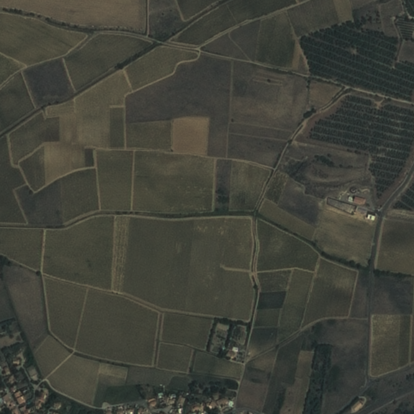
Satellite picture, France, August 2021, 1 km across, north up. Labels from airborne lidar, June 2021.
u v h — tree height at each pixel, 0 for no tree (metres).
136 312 0
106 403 0
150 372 0
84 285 0
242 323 10
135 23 0
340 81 7
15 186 0
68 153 0
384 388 0
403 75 7
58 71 0
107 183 0
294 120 0
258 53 0
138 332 0
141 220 0
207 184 0
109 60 0
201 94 0
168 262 0
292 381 0
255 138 0
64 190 0
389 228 0
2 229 0
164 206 0
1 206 0
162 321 0
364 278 0
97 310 0
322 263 0
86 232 0
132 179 0
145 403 0
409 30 0
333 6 0
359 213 0
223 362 0
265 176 0
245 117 0
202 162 0
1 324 7
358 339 0
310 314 0
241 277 0
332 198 0
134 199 0
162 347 0
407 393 0
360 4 0
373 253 0
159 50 0
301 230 0
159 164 0
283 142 0
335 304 0
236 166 0
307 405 8
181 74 0
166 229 0
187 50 0
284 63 0
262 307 0
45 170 0
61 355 0
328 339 0
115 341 0
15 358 0
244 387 0
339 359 0
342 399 0
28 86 0
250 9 0
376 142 6
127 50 0
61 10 0
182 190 0
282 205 0
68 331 0
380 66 5
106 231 0
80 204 0
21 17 0
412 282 0
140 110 0
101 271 0
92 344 0
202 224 0
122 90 0
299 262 0
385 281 0
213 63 0
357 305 0
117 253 0
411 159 0
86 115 0
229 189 0
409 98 7
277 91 0
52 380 0
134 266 0
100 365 0
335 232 0
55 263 0
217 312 0
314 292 0
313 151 0
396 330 0
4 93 0
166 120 0
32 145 0
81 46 0
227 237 0
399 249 0
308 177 0
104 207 0
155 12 0
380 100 0
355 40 8
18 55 0
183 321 0
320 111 0
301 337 0
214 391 15
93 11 0
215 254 0
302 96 0
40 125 0
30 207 0
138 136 0
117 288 0
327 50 9
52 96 0
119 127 0
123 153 0
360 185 0
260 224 0
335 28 10
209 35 0
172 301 0
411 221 0
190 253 0
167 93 0
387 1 0
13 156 0
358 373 0
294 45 0
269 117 0
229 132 0
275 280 0
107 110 0
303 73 0
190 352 0
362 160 0
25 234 0
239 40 0
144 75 0
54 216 0
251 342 0
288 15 0
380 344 0
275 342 0
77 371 0
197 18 0
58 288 0
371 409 0
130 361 0
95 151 0
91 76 0
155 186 0
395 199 0
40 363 0
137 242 0
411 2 7
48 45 0
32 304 0
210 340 6
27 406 7
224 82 0
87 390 0
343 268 0
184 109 0
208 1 0
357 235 0
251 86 0
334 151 0
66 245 0
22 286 0
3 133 0
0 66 0
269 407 0
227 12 0
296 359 0
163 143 0
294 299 0
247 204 0
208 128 0
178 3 0
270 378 0
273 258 0
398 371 0
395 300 0
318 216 0
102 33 0
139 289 0
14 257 0
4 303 0
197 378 0
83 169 0
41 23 0
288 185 0
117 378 0
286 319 0
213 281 0
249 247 0
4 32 0
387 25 0
